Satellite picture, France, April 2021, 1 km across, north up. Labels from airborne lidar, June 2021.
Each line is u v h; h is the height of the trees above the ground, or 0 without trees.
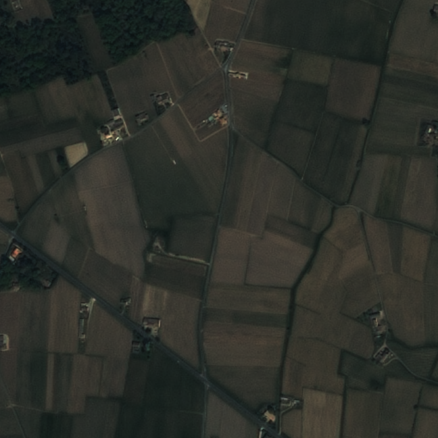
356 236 0
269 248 0
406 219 0
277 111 0
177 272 0
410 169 0
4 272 16
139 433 0
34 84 20
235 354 0
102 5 6
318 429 0
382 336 7
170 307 0
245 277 0
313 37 0
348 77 0
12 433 0
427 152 0
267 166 0
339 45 0
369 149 0
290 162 0
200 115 0
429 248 0
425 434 0
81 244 0
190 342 0
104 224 0
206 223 0
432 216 0
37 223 0
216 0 0
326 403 0
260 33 0
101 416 0
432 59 0
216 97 0
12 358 0
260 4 0
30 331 0
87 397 0
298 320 0
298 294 0
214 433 0
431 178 0
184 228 0
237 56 0
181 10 18
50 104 0
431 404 0
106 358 0
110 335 0
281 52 0
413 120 0
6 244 0
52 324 0
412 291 0
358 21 0
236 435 0
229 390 0
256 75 0
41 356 0
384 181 0
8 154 0
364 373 0
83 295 0
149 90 0
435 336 0
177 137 0
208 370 0
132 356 0
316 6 0
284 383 0
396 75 0
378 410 0
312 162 0
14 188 0
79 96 0
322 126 0
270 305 0
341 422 0
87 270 0
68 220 0
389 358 0
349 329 0
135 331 6
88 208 0
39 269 9
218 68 0
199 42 0
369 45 0
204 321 0
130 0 22
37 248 0
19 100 0
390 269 0
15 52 9
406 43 0
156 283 0
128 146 0
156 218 0
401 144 0
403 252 0
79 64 7
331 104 0
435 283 0
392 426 0
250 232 0
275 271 0
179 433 0
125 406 0
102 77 10
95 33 0
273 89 0
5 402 0
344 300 0
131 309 0
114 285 0
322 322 0
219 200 0
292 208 0
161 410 0
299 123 0
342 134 0
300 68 0
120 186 0
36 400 0
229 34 0
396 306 0
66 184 0
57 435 0
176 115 0
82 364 0
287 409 0
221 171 0
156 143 0
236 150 0
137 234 0
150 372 0
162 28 20
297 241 0
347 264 0
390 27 0
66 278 0
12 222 0
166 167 0
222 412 0
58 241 0
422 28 0
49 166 0
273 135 0
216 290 0
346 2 0
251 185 0
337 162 0
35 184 0
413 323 0
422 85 0
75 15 9
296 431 0
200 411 0
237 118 0
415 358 0
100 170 0
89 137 0
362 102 0
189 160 0
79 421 0
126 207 0
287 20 0
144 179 0
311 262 0
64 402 0
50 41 18
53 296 0
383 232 0
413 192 0
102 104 0
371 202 0
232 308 0
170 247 0
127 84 0
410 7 0
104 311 0
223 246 0
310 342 0
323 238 0
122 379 0
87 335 0
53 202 0
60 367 0
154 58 0
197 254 0
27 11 0
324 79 0
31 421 0
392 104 0
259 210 0
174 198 0
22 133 0
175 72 0
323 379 0
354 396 0
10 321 0
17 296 0
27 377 0
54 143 0
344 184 0
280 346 0
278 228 0
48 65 7
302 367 0
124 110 0
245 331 0
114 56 11
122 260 0
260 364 0
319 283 0
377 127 0
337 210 0
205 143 0
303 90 0
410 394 0
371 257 0
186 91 0
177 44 0
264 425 0
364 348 0
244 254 0
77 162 0
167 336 0
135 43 20
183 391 0
